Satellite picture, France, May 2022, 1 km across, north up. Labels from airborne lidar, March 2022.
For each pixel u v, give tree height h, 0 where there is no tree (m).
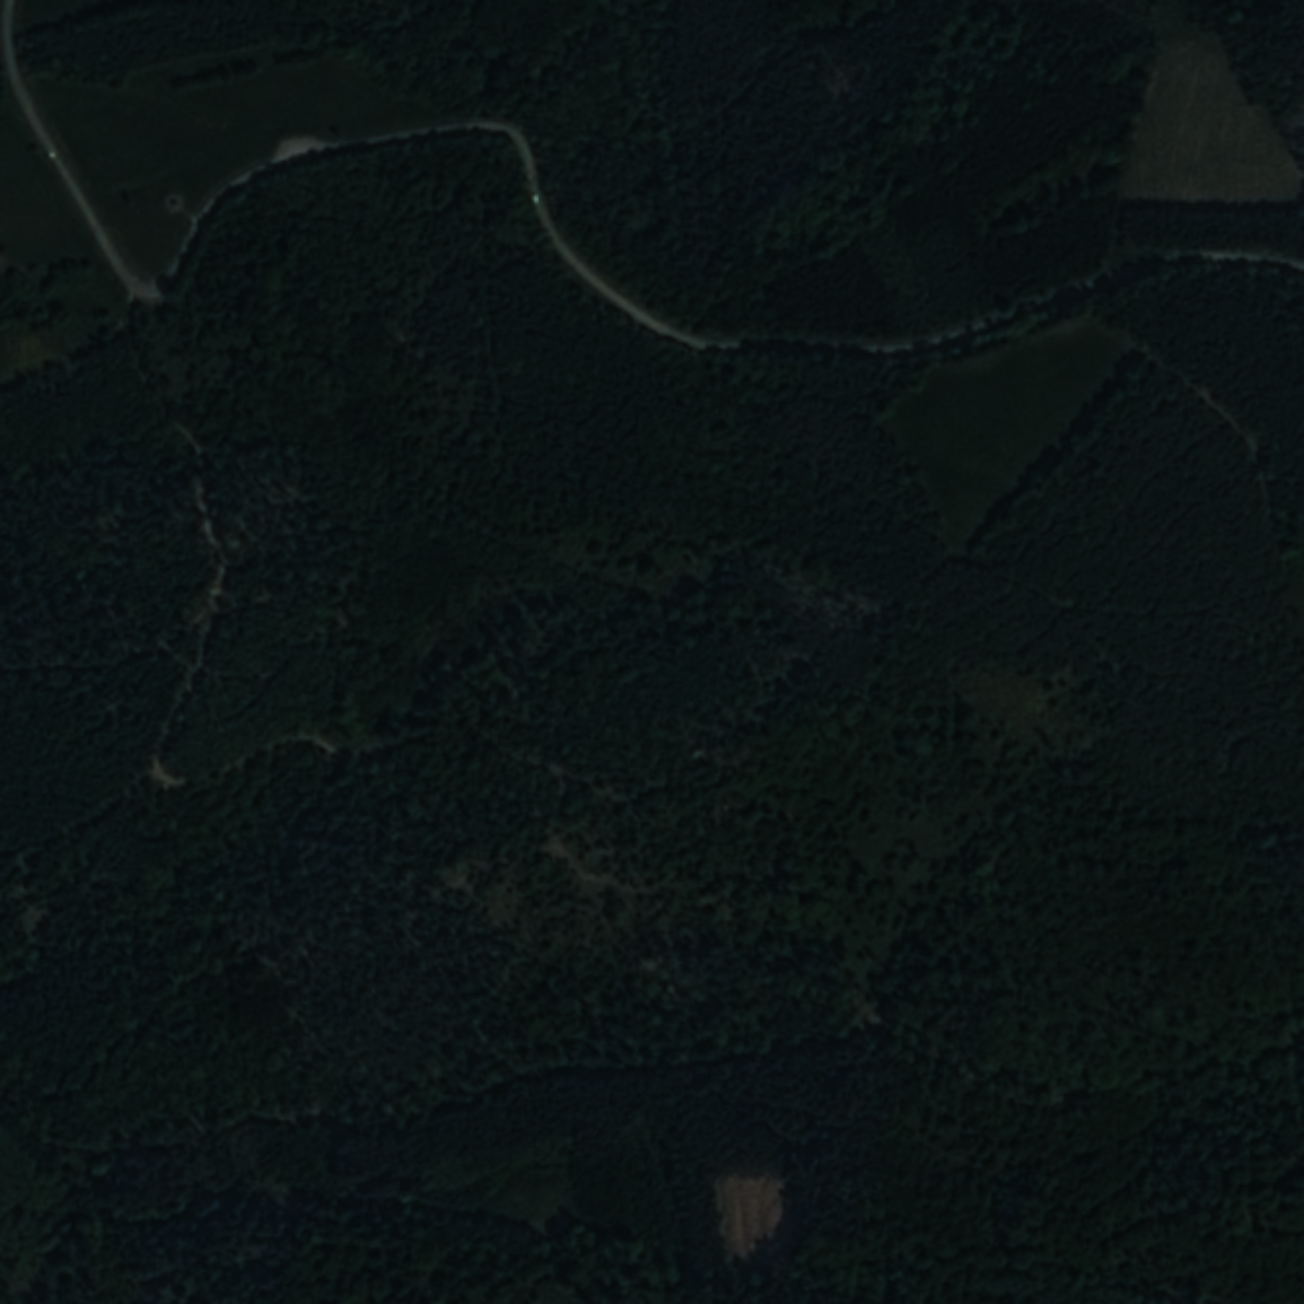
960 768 9
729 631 19
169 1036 11
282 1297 21
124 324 0
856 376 18
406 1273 14
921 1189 8
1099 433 8
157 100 0
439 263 10
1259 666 12
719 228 20
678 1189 19
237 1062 12
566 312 13
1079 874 15
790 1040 28
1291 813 12
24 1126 13
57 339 0
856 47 17
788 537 11
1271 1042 18
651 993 9
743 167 17
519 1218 0
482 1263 11
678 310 14
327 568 19
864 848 0
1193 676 11
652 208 18
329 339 16
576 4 15
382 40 10
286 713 14
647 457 10
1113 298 18
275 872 12
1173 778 10
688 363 8
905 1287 26
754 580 21
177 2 15
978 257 14
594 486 14
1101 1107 15
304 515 11
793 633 21
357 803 15
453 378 0
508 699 37
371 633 10
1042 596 11
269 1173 13
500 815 14
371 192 12
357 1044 27
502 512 12
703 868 9
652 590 0
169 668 13
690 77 25
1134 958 30
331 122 0
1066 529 10
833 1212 23
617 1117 29
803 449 16
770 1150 26
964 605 17
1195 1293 32
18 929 18
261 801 14
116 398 12
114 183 0
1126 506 9
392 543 12
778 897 22
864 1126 27
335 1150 26
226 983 10
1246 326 18
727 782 13
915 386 17
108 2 0
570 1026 17
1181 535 11
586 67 20
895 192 12
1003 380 0
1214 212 14
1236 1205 25
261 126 0
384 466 10
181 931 12
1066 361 0
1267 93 20
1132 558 9
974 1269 15
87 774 12
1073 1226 9
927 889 8
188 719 10
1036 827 11
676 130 21
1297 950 19
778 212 30
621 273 12
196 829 13
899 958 10
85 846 12
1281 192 0
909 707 11
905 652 14
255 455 19
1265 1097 17
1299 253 14
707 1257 21
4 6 0
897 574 16
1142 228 16
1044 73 11
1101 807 11
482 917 12
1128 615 7
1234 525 10
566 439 13
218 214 8
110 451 30
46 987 21
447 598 13
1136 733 11
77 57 14
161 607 16
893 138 20
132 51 10
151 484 11
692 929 10
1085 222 13
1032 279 9
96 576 17
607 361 11
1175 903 26
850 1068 36
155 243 0
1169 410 10
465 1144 21
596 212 18
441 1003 25
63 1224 20
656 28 23
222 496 15
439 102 12
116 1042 12
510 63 12
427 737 18
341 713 24
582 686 16
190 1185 10
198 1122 29
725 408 12
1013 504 11
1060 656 10
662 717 9
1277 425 15
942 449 0
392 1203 10
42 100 0
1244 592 11
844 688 23
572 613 21
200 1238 21
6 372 0
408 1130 19
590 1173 9
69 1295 37
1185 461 9
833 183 27
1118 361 0
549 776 8
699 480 12
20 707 14
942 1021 18
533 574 12
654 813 14
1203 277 16
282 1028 11
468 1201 15
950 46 7
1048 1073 15
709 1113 28
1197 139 0
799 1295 27
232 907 12
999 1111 14
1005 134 16
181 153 0
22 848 17
